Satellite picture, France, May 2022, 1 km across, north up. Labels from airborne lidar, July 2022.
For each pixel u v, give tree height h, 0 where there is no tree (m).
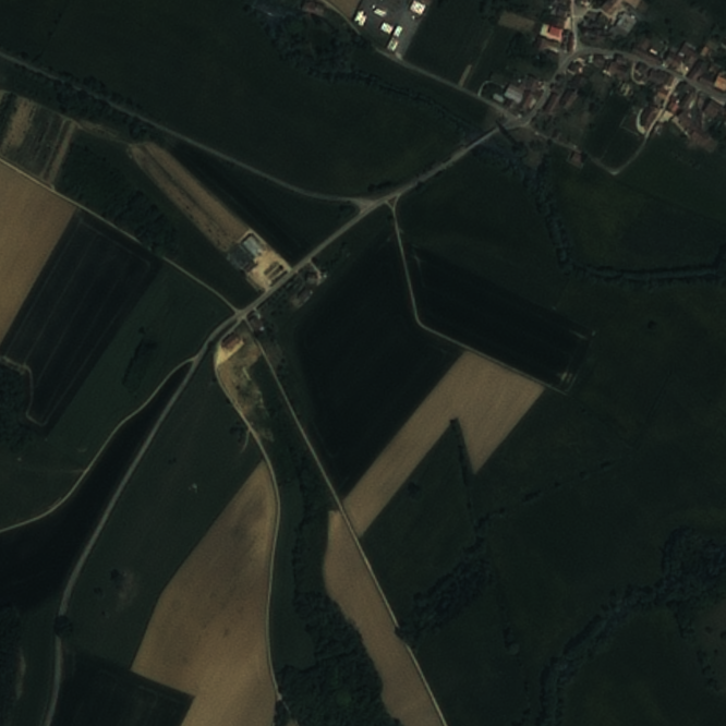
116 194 6
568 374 0
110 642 0
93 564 0
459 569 7
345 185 0
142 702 0
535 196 11
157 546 0
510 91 0
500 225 0
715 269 17
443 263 0
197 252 0
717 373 0
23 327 0
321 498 18
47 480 0
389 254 0
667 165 0
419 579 0
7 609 14
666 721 0
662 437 0
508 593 0
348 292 0
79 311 0
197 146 0
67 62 0
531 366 0
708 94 0
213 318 0
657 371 0
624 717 0
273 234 0
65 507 0
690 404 0
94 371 0
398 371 0
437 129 0
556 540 0
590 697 0
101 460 0
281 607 0
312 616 19
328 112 0
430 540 0
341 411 0
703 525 0
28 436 21
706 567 25
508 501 0
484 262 0
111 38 0
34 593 0
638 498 0
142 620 0
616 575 0
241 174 0
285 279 0
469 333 0
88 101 23
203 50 0
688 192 0
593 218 0
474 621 0
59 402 0
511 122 0
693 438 0
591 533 0
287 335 0
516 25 0
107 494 0
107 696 0
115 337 0
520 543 0
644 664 0
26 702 0
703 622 0
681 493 0
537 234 0
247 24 0
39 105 0
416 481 0
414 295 0
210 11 0
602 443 0
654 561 0
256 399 0
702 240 0
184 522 0
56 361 0
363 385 0
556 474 0
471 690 0
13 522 0
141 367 20
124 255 0
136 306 0
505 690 0
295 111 0
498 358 0
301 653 0
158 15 0
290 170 0
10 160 0
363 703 22
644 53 0
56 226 0
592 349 0
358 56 0
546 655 0
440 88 0
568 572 0
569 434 0
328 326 0
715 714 0
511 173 18
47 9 0
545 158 10
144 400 0
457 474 0
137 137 21
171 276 0
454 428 11
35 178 0
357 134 0
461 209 0
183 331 0
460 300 0
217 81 0
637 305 0
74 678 0
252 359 0
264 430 0
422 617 22
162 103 0
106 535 0
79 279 0
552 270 0
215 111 0
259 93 0
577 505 0
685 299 0
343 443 0
